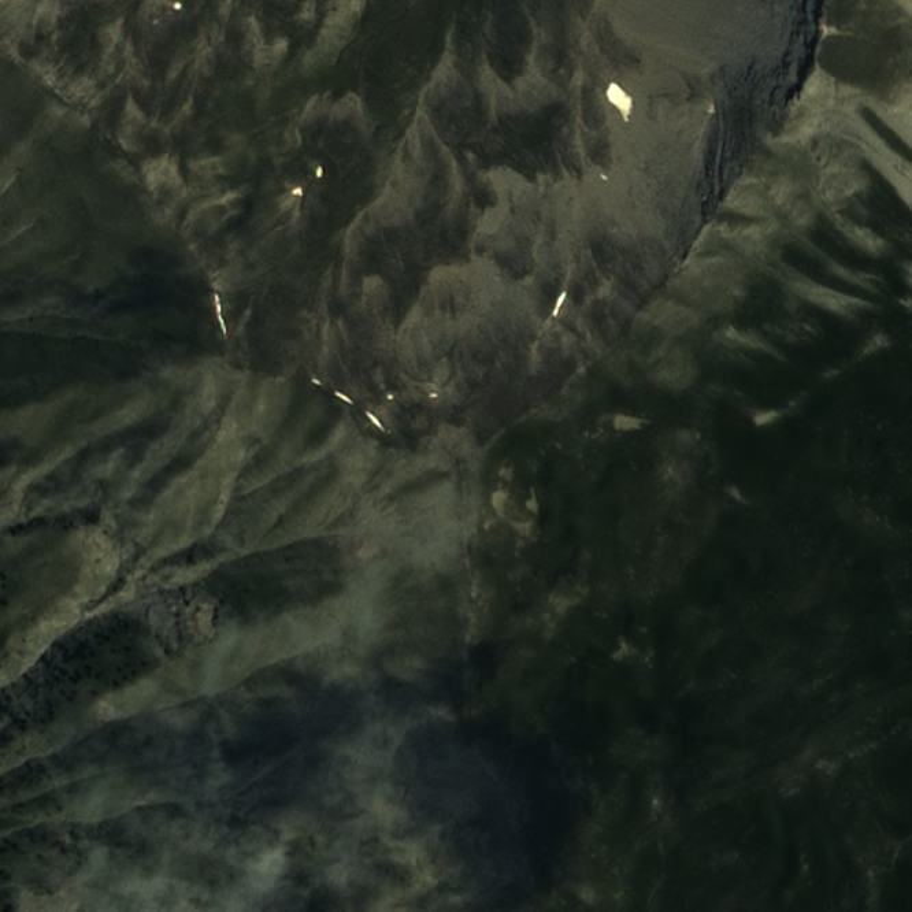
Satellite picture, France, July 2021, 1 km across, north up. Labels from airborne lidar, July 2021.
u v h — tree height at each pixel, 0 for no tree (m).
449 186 0
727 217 0
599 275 0
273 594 0
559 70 0
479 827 0
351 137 0
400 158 0
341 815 0
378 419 0
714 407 0
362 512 0
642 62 0
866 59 0
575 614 0
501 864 0
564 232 0
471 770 0
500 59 0
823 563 0
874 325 0
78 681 11
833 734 0
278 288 0
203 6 0
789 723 0
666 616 0
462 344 0
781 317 0
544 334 0
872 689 0
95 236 0
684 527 0
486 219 0
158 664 0
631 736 0
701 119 0
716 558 0
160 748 0
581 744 0
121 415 0
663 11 0
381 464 0
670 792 0
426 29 0
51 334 0
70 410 0
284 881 0
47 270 0
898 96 0
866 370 0
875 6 0
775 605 0
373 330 0
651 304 0
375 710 0
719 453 0
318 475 0
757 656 0
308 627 0
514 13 0
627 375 0
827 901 0
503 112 0
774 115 0
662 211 0
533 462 0
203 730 0
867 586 0
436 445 0
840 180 0
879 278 0
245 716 0
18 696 0
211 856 0
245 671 0
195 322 0
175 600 0
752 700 0
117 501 0
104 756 8
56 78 0
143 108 0
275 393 0
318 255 0
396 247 0
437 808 0
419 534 0
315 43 0
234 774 0
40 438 0
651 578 0
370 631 0
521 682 0
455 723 0
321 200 0
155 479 0
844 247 0
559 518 0
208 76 0
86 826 0
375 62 0
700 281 0
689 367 0
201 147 0
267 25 0
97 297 0
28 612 0
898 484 0
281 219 0
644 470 0
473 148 0
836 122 0
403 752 0
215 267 0
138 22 0
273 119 0
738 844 0
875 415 0
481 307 0
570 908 0
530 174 0
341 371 0
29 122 0
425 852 0
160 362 0
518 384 0
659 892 0
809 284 0
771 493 0
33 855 0
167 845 0
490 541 0
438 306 0
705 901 0
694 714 0
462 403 0
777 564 0
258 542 0
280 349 0
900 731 0
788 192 0
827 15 0
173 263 0
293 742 0
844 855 0
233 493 0
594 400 0
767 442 0
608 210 0
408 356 0
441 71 0
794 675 0
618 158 0
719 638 0
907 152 0
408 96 0
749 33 0
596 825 0
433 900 0
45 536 0
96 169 0
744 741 0
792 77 0
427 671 0
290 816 0
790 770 0
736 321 0
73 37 0
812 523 0
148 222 0
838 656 0
